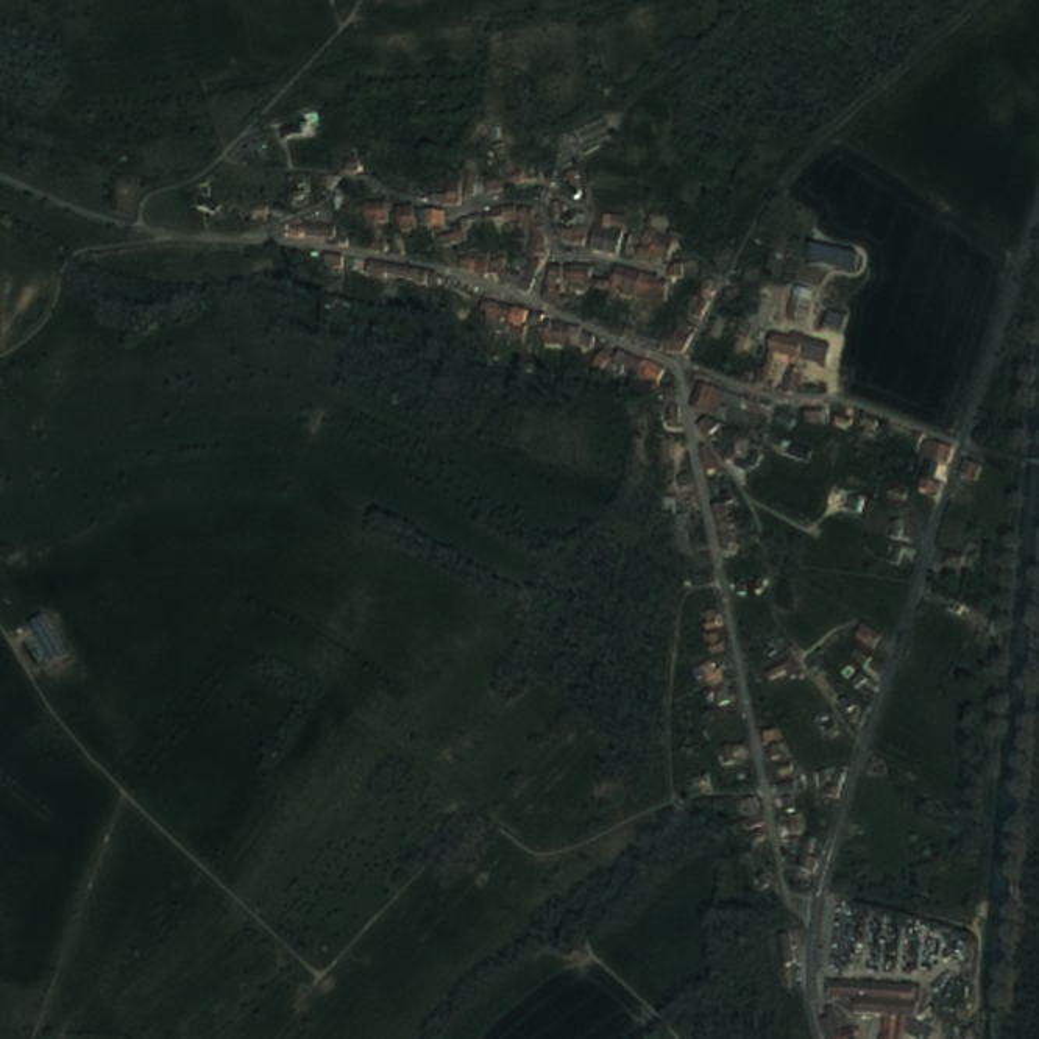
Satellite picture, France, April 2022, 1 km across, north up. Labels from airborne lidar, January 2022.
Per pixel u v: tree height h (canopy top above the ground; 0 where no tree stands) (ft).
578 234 0
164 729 0
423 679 0
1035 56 0
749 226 0
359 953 0
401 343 23
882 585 0
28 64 66
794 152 19
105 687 0
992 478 0
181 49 0
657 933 0
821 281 0
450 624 0
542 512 0
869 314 0
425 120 36
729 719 0
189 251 0
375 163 0
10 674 0
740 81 75
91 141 0
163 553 0
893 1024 0
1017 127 0
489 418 0
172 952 0
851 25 67
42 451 0
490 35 23
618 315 0
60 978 0
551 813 0
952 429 0
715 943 61
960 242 0
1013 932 94
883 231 0
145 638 0
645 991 0
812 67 71
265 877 0
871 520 0
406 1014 0
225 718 0
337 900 0
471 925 0
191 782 0
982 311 0
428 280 0
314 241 0
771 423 0
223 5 0
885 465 22
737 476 0
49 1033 24
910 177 0
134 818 0
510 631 0
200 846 0
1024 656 0
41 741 0
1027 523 0
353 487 0
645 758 43
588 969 0
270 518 0
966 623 0
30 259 0
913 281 0
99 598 0
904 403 0
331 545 0
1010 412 0
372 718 0
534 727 0
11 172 0
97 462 0
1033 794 93
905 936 0
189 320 40
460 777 0
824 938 0
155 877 0
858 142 0
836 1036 0
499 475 0
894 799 0
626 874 40
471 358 24
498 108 0
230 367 0
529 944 53
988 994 0
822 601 0
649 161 0
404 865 37
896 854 0
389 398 24
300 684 25
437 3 0
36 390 0
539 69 0
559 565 57
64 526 0
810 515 0
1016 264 0
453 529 0
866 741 0
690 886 0
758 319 0
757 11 24
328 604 0
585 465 0
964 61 0
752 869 0
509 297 0
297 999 0
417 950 0
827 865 0
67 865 0
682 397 0
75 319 0
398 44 0
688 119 60
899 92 0
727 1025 80
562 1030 0
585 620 79
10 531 0
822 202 0
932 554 0
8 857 0
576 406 70
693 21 0
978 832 61
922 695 0
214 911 0
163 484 0
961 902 0
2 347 0
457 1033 0
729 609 0
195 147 0
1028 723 90
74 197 0
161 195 0
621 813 0
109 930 0
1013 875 98
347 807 0
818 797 0
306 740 0
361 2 0
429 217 0
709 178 23
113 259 0
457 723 0
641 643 66
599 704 74
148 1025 0
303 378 0
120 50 0
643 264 0
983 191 0
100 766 0
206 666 0
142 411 0
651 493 43
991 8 0
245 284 55
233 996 0
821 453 0
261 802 0
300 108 0
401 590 0
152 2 0
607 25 0
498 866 0
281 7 0
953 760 0
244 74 0
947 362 0
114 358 0
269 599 0
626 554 57
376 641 0
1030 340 54
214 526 0
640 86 21
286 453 0
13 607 0
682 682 0
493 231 0
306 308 41
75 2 0
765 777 0
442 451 0
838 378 0
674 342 0
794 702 0
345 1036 0
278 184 0
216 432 0
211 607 0
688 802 47
